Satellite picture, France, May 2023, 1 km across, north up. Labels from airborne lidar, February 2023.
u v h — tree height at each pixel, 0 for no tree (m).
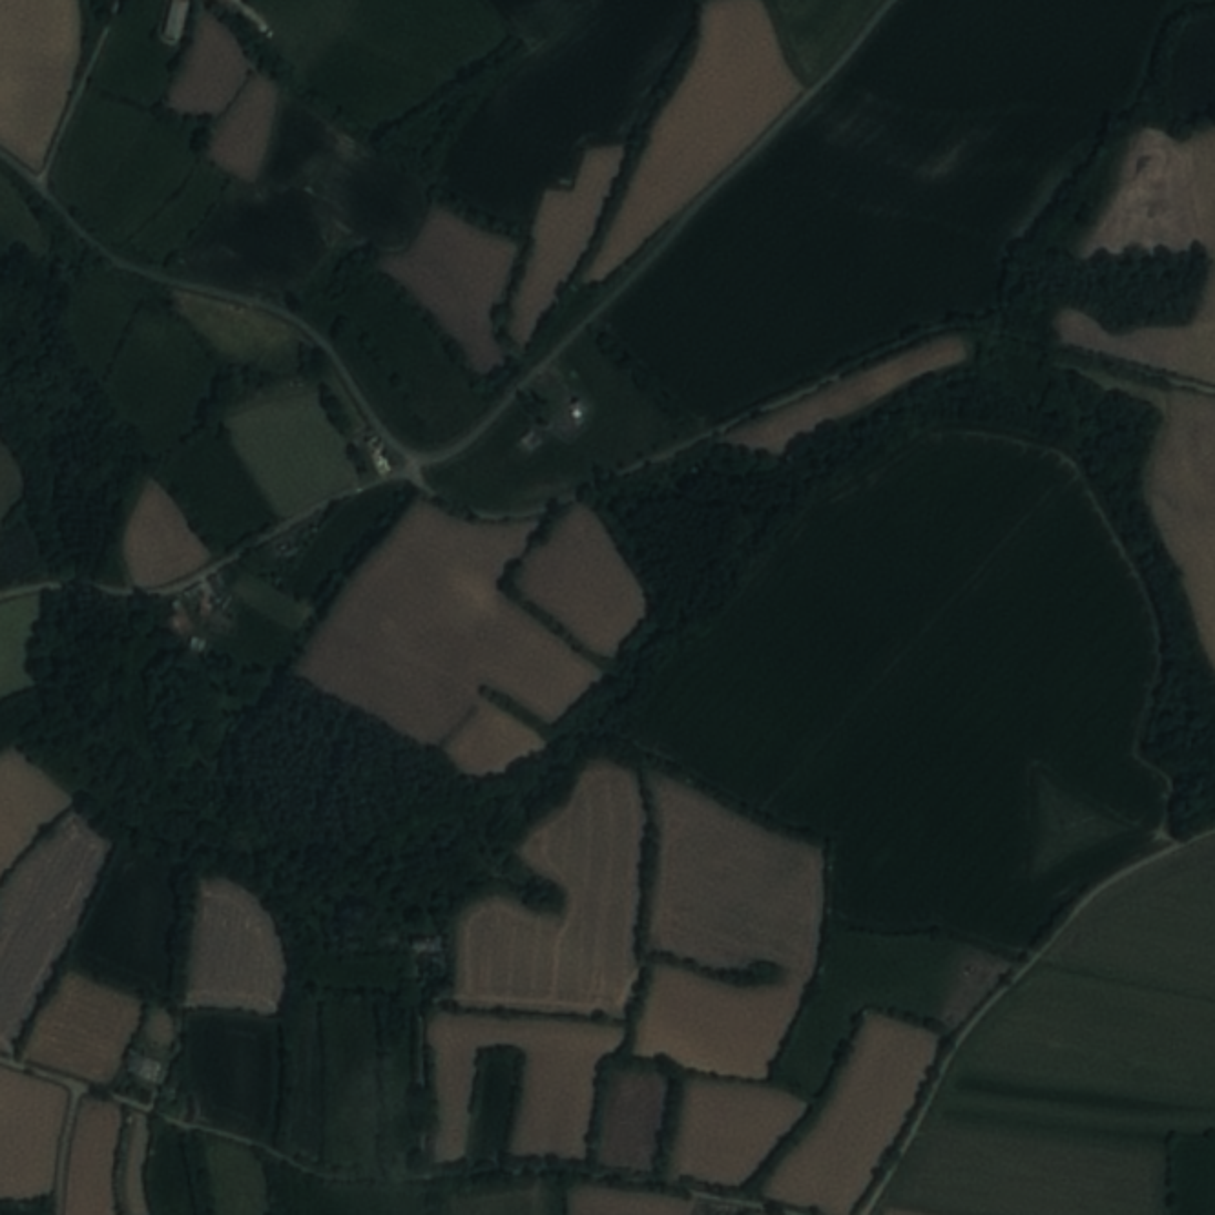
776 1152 7
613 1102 0
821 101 0
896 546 0
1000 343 8
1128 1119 0
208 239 0
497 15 0
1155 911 0
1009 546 0
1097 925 0
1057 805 0
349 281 7
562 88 0
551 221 0
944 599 0
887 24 0
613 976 0
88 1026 0
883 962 0
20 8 0
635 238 0
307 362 8
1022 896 0
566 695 0
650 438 0
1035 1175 0
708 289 0
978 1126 0
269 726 26
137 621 18
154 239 0
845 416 0
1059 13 0
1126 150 0
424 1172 12
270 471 0
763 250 0
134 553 0
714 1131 0
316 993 16
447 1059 0
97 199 0
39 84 0
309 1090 0
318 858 33
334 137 0
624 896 0
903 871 0
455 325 0
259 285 0
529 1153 0
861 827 0
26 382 12
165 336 0
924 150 0
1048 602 0
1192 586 0
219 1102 0
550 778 30
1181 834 17
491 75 6
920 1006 0
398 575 0
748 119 0
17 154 0
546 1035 0
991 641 0
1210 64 0
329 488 0
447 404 0
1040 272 19
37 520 16
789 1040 7
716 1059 0
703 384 0
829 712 0
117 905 0
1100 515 0
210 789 17
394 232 0
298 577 0
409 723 0
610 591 0
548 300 0
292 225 0
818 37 0
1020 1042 0
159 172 0
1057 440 17
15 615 0
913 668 0
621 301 0
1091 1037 0
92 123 0
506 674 0
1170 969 0
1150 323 17
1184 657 16
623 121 0
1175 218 0
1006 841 0
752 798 0
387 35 0
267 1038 0
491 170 0
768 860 0
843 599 0
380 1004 10
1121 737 0
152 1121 11
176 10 0
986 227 0
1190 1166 0
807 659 0
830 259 0
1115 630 0
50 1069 0
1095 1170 0
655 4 0
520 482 0
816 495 8
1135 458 18
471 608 0
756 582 0
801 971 0
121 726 16
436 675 0
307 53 0
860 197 0
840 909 0
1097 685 0
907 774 0
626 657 17
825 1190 0
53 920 0
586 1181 12
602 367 0
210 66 0
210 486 0
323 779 14
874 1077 0
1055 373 6
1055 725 0
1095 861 0
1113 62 0
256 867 18
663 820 0
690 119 0
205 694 19
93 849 0
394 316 0
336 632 0
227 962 0
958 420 14
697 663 0
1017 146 0
